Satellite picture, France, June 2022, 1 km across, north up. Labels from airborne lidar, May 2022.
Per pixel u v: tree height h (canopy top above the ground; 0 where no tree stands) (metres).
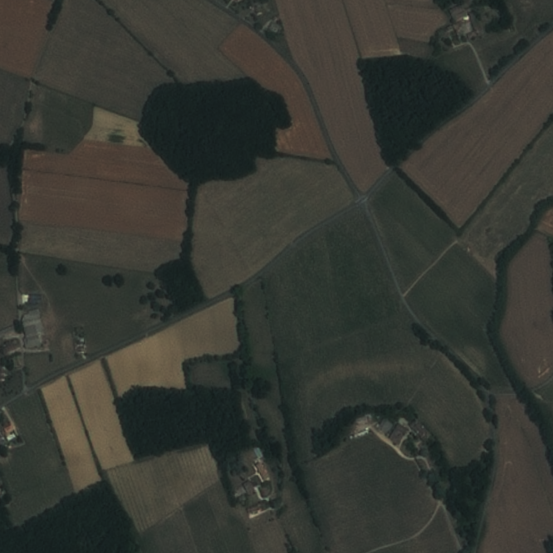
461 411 0
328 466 0
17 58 0
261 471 0
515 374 23
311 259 0
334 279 0
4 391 7
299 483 11
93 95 0
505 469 0
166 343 0
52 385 0
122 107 0
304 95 0
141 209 0
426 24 0
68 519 16
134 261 0
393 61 18
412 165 0
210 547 0
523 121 0
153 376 0
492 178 0
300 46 0
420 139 20
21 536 21
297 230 0
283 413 10
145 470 0
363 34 0
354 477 0
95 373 0
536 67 0
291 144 0
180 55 0
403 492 0
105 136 0
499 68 17
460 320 0
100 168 0
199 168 22
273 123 20
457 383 0
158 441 18
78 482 0
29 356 0
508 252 19
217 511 0
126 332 0
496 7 13
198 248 0
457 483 21
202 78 0
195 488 0
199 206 0
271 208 0
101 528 15
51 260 0
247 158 19
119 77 0
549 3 0
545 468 0
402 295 0
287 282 0
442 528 0
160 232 0
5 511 10
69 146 0
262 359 0
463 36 7
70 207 0
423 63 19
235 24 0
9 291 0
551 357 0
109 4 0
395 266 0
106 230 0
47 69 0
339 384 0
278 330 0
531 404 29
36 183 0
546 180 0
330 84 0
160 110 19
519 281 0
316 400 0
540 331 0
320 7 0
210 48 0
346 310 0
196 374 0
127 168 0
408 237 0
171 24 0
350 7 0
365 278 0
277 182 0
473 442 0
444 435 0
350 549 0
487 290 0
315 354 0
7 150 13
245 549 0
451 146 0
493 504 0
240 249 0
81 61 0
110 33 0
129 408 21
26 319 0
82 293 0
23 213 0
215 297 0
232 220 0
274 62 0
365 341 0
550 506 0
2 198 0
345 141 0
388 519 0
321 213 0
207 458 0
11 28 0
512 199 0
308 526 0
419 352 0
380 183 0
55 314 0
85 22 0
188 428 20
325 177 0
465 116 0
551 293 0
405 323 0
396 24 0
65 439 0
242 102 23
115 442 0
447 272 0
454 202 0
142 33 0
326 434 13
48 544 20
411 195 0
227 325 0
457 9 0
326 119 0
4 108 0
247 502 7
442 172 0
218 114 22
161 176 0
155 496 0
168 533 0
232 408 19
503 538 0
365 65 15
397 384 0
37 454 0
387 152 20
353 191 0
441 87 19
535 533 0
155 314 7
